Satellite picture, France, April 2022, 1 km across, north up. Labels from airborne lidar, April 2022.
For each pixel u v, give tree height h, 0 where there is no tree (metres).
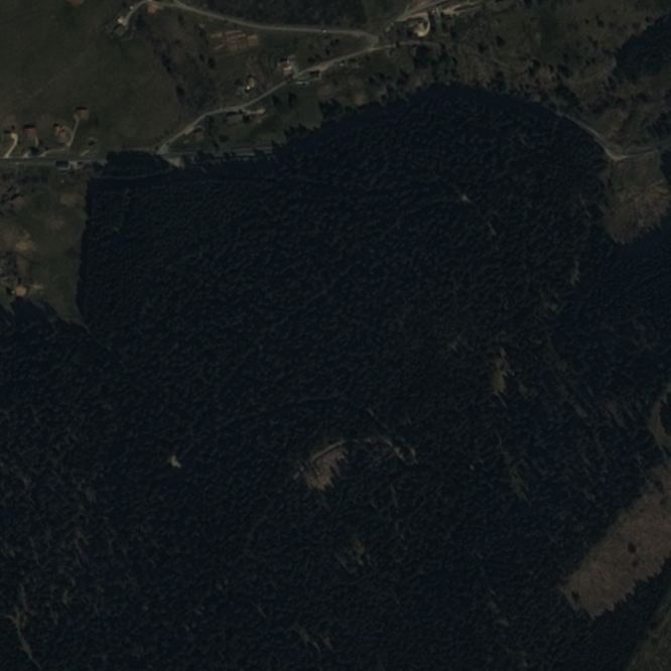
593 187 29
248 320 18
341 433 22
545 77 0
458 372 24
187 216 29
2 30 0
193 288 31
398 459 18
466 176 33
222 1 0
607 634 25
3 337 7
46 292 0
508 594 23
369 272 24
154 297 31
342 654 31
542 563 28
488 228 15
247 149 0
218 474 33
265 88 0
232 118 0
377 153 26
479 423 43
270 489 36
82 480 33
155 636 36
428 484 36
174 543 37
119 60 0
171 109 0
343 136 28
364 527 33
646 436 24
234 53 0
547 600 30
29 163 0
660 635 0
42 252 0
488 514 26
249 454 32
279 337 14
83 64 0
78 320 0
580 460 35
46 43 0
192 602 30
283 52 0
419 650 28
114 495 15
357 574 14
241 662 28
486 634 24
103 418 22
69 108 0
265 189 19
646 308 20
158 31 0
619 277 22
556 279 17
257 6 0
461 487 38
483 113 23
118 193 27
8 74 0
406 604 27
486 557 15
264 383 34
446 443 31
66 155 0
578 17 0
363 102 0
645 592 22
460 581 27
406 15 0
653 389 30
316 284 16
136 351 37
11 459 34
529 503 0
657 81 0
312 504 22
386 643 24
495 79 7
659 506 0
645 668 0
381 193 25
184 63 0
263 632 16
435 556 31
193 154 0
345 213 35
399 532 32
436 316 26
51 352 34
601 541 27
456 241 23
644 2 8
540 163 23
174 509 35
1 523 34
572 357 39
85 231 0
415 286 27
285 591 20
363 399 23
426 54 25
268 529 20
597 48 16
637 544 0
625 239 0
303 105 0
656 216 0
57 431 33
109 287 29
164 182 28
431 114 26
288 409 11
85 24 0
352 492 24
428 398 27
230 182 29
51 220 0
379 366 25
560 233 38
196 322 34
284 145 0
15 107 0
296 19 0
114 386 38
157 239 29
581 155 28
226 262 32
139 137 0
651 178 0
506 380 0
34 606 7
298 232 33
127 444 17
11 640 9
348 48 0
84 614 18
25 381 7
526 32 0
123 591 37
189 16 0
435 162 34
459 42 0
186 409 14
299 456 26
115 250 30
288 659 34
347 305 31
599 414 35
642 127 0
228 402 19
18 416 39
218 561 16
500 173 35
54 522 31
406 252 32
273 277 25
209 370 15
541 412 0
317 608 25
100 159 0
